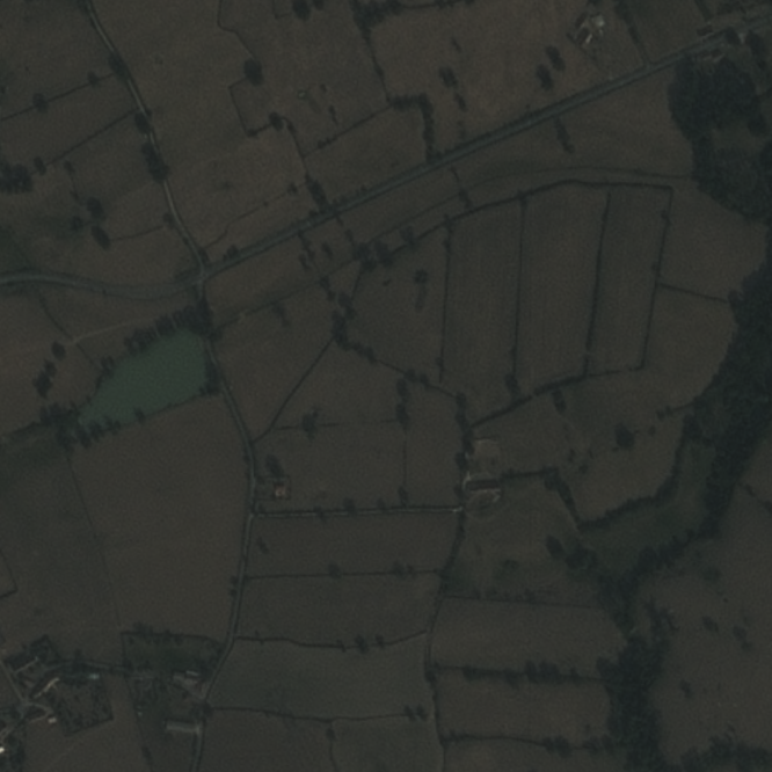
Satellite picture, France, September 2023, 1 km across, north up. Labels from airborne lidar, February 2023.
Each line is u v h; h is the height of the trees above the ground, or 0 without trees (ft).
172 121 0
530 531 0
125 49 0
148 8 0
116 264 0
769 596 0
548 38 0
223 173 0
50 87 0
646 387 0
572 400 0
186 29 0
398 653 0
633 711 50
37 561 0
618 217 0
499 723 0
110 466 0
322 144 21
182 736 0
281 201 0
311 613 0
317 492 0
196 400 0
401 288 0
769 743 0
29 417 0
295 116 0
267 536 0
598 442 0
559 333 0
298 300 0
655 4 0
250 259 0
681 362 0
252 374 0
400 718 0
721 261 0
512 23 0
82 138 0
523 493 0
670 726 0
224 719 0
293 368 0
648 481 0
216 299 0
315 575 0
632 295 0
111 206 0
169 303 0
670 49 0
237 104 0
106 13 0
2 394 0
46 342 0
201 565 0
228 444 0
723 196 81
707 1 0
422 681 0
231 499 0
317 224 0
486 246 0
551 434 0
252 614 0
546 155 0
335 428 0
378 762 0
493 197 0
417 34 0
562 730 0
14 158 0
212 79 0
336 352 0
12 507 0
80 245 0
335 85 0
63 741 0
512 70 0
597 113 0
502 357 0
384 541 0
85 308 0
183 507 0
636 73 0
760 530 0
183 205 0
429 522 0
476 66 0
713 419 0
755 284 59
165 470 0
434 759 0
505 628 0
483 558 0
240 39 0
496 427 0
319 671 0
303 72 0
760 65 42
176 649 0
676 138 0
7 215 0
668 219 43
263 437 0
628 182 0
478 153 0
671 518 0
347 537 0
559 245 0
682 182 0
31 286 0
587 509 0
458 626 0
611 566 0
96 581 0
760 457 0
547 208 0
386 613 0
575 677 48
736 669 0
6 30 0
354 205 0
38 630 0
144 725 0
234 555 0
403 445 0
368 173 0
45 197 0
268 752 0
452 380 0
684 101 83
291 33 0
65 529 0
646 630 0
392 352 0
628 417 0
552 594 0
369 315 0
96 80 38
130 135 0
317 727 0
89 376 0
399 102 43
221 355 0
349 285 0
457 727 0
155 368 0
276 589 0
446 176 0
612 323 0
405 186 0
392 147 0
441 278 0
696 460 0
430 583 0
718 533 52
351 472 0
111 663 0
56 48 0
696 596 0
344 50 0
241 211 0
